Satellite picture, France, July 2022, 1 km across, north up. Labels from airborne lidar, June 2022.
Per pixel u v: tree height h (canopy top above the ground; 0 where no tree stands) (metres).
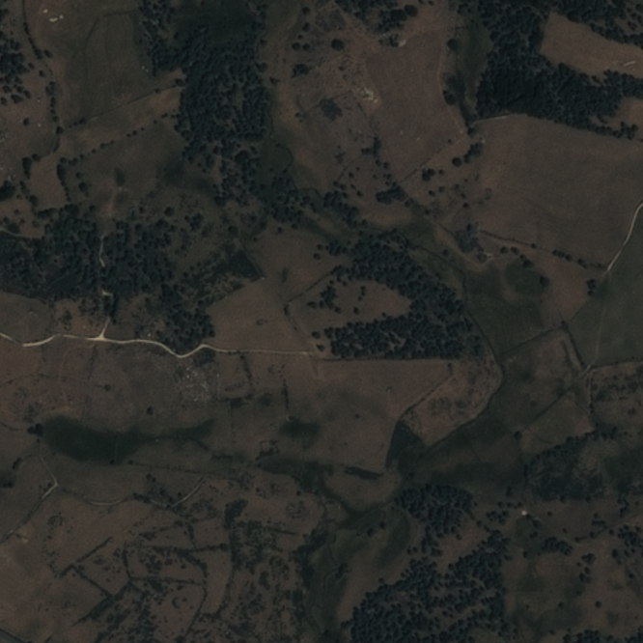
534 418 0
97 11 0
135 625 0
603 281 0
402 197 13
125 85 0
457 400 0
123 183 0
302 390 0
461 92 0
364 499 0
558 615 0
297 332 0
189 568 0
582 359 0
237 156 10
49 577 0
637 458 0
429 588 16
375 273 16
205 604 0
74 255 9
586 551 0
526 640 0
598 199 0
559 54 0
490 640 0
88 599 0
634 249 0
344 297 0
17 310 0
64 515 0
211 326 11
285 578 0
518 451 0
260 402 0
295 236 0
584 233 0
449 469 0
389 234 9
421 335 21
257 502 0
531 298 0
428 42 0
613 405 0
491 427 0
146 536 0
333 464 0
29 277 11
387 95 0
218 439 0
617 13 14
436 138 0
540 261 0
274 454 0
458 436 0
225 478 0
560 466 0
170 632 0
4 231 0
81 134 0
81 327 0
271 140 0
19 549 0
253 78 14
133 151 0
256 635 0
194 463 0
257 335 0
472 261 0
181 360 0
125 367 0
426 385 0
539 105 16
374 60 0
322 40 0
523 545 0
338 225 0
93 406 0
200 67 18
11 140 0
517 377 0
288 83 0
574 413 0
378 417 0
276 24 0
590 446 0
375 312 0
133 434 0
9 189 19
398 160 0
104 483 0
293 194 10
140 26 0
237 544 0
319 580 0
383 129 0
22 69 18
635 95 14
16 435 0
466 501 15
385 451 0
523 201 0
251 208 0
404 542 0
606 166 0
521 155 0
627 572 0
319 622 0
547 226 0
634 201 0
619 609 0
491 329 0
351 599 0
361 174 0
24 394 0
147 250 12
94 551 0
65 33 0
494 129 0
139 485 0
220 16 0
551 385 0
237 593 0
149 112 0
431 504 10
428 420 0
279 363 0
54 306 0
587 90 12
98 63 0
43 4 0
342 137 0
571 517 0
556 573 0
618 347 0
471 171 0
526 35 16
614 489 0
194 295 0
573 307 0
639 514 0
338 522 0
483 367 0
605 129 12
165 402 0
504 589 8
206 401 0
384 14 13
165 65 20
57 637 0
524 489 0
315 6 0
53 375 0
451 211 0
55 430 0
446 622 0
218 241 0
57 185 0
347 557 0
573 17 16
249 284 0
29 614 0
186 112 9
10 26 0
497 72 13
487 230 0
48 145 0
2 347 0
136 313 0
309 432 0
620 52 0
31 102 0
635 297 0
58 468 0
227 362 0
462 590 7
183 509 0
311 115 0
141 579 0
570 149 0
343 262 0
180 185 0
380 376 0
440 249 0
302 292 0
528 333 0
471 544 0
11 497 0
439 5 0
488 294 0
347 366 0
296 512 0
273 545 0
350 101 0
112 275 9
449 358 12
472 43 0
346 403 0
